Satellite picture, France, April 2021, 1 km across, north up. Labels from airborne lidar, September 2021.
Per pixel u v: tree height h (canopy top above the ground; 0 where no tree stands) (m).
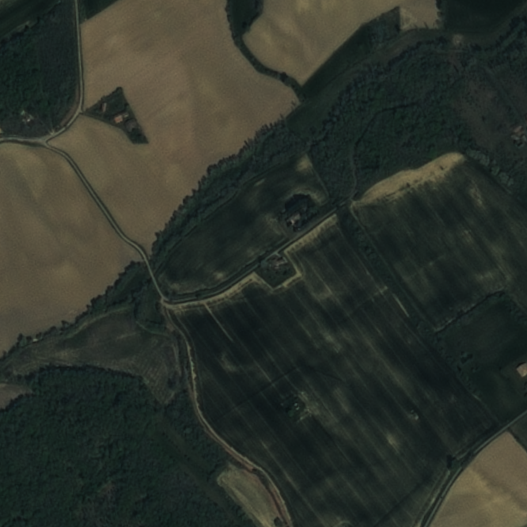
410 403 0
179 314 0
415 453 0
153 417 20
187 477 16
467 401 0
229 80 0
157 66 0
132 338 0
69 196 0
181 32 0
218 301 0
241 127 0
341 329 0
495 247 0
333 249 0
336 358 0
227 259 0
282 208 0
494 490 0
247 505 0
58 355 0
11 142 0
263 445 0
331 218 0
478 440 0
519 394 0
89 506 18
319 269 0
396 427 0
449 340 0
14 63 25
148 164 0
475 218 0
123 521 7
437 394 0
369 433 0
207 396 0
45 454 22
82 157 0
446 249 0
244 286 0
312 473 0
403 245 0
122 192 0
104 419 21
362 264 0
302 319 0
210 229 0
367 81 18
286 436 0
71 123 0
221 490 9
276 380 0
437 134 25
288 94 0
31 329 0
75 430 18
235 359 0
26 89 22
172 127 0
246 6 0
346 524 0
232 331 0
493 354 0
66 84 14
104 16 0
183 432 9
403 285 0
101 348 0
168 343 0
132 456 22
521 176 7
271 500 0
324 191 0
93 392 24
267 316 0
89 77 0
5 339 0
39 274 0
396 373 0
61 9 10
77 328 9
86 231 0
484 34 0
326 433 0
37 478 22
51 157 0
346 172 12
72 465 18
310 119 0
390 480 0
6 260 0
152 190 0
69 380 27
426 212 0
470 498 0
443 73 25
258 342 0
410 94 19
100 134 0
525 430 0
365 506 0
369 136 18
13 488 20
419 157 11
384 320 0
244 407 0
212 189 9
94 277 0
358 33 0
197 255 0
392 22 0
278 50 0
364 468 0
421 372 0
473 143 9
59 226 0
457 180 0
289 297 0
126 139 0
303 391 0
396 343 0
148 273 0
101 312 16
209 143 0
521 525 0
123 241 0
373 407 0
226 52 0
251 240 0
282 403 0
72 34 15
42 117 10
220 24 0
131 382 23
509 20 0
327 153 17
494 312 0
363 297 0
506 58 11
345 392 0
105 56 0
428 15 0
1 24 0
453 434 0
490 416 0
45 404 15
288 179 0
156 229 0
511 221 0
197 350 0
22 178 0
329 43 0
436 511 0
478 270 0
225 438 0
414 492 0
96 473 18
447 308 0
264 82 0
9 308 0
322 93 0
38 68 16
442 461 0
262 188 0
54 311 0
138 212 0
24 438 20
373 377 0
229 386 0
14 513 18
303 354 0
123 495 20
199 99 0
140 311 19
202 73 0
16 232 0
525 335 0
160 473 20
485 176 0
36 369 0
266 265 11
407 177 0
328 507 0
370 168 10
